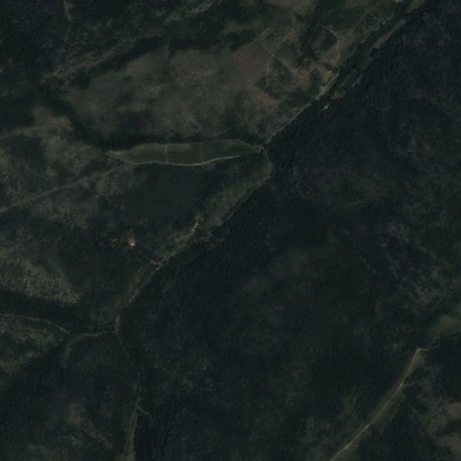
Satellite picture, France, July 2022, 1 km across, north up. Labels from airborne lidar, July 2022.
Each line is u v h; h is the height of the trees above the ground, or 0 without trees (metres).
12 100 10
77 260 6
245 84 0
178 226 5
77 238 7
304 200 7
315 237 10
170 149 0
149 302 9
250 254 8
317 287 6
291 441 11
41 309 12
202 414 6
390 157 7
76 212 0
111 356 6
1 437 9
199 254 8
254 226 6
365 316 7
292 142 6
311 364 6
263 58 0
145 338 8
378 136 10
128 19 7
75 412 0
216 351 8
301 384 8
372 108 9
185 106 0
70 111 10
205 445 6
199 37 7
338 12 7
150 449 9
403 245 6
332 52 0
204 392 6
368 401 11
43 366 7
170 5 6
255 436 7
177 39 8
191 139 7
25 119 8
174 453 6
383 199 6
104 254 9
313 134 6
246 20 9
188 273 5
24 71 7
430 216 5
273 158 10
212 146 0
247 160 9
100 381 8
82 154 0
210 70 0
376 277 6
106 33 10
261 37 0
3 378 6
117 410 9
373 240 6
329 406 7
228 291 6
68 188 0
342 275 7
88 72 5
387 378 8
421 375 6
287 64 0
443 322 0
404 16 11
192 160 0
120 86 0
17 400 6
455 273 5
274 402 7
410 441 6
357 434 0
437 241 5
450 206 6
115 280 6
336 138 6
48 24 7
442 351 9
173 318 6
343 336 11
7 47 13
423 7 9
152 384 6
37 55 6
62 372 8
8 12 6
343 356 17
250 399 6
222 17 8
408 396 7
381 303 7
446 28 8
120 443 7
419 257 6
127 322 8
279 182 7
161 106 0
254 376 6
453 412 0
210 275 6
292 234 6
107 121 0
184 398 6
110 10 8
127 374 8
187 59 0
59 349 6
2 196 6
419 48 5
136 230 8
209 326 5
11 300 8
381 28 11
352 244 5
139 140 16
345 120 6
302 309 6
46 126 0
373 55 19
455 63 6
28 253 0
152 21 11
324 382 11
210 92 0
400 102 8
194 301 6
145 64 0
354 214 7
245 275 7
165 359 6
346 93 8
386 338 8
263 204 9
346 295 7
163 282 7
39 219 6
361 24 6
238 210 10
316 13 8
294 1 0
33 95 7
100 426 6
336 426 6
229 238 8
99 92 0
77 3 6
